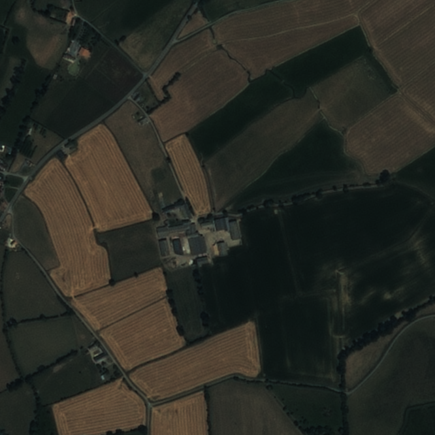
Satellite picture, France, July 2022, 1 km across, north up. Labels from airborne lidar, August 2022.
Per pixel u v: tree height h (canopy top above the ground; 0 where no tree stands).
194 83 0
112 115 0
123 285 0
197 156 0
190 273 0
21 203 0
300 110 0
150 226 0
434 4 0
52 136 0
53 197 0
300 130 0
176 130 0
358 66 0
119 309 0
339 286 0
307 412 0
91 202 0
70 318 0
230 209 0
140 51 0
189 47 0
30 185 0
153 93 7
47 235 0
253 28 0
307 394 0
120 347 0
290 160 0
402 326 0
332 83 0
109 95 0
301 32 0
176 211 0
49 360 0
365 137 0
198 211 0
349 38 0
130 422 0
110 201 0
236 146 0
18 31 0
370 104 0
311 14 0
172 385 0
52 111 0
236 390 0
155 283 0
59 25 0
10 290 0
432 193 0
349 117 0
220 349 0
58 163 0
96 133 0
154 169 0
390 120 0
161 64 0
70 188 0
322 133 0
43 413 0
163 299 0
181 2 0
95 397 0
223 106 0
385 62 0
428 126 0
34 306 0
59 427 0
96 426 0
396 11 0
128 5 0
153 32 0
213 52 0
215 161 0
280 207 14
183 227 0
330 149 0
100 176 0
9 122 0
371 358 0
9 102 17
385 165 0
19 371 6
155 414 0
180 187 0
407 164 0
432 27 0
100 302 0
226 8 0
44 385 0
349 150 0
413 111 0
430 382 0
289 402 0
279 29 0
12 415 0
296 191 0
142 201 0
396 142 0
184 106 0
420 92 0
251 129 0
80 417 0
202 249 0
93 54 0
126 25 0
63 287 0
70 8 10
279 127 0
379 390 0
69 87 0
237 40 0
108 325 0
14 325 20
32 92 0
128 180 0
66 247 0
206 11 0
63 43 0
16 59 0
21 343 0
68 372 0
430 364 0
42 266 0
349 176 0
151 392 0
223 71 0
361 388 0
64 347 0
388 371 0
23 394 0
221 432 0
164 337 0
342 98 0
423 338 0
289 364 0
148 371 0
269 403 0
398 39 0
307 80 0
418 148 0
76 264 0
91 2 0
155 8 0
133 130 0
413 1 0
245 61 0
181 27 0
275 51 0
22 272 0
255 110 0
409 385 0
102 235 0
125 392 0
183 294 0
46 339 0
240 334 0
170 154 0
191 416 0
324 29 0
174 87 0
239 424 0
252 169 0
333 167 0
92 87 0
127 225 0
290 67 0
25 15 0
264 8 0
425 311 0
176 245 0
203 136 0
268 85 0
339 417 0
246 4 0
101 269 0
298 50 0
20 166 0
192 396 0
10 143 0
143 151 0
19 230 0
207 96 0
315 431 11
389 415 0
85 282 0
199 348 0
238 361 0
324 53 0
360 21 0
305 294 0
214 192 0
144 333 0
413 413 0
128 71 0
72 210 0
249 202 0
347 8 0
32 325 0
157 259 0
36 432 22
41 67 0
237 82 0
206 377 0
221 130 0
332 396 0
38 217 0
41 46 0
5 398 0
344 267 0
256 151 0
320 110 0
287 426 0
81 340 0
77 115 0
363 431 0
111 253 0
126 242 0
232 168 0
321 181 0
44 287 0
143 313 0
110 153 0
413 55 0
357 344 20
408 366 0
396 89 0
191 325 0
